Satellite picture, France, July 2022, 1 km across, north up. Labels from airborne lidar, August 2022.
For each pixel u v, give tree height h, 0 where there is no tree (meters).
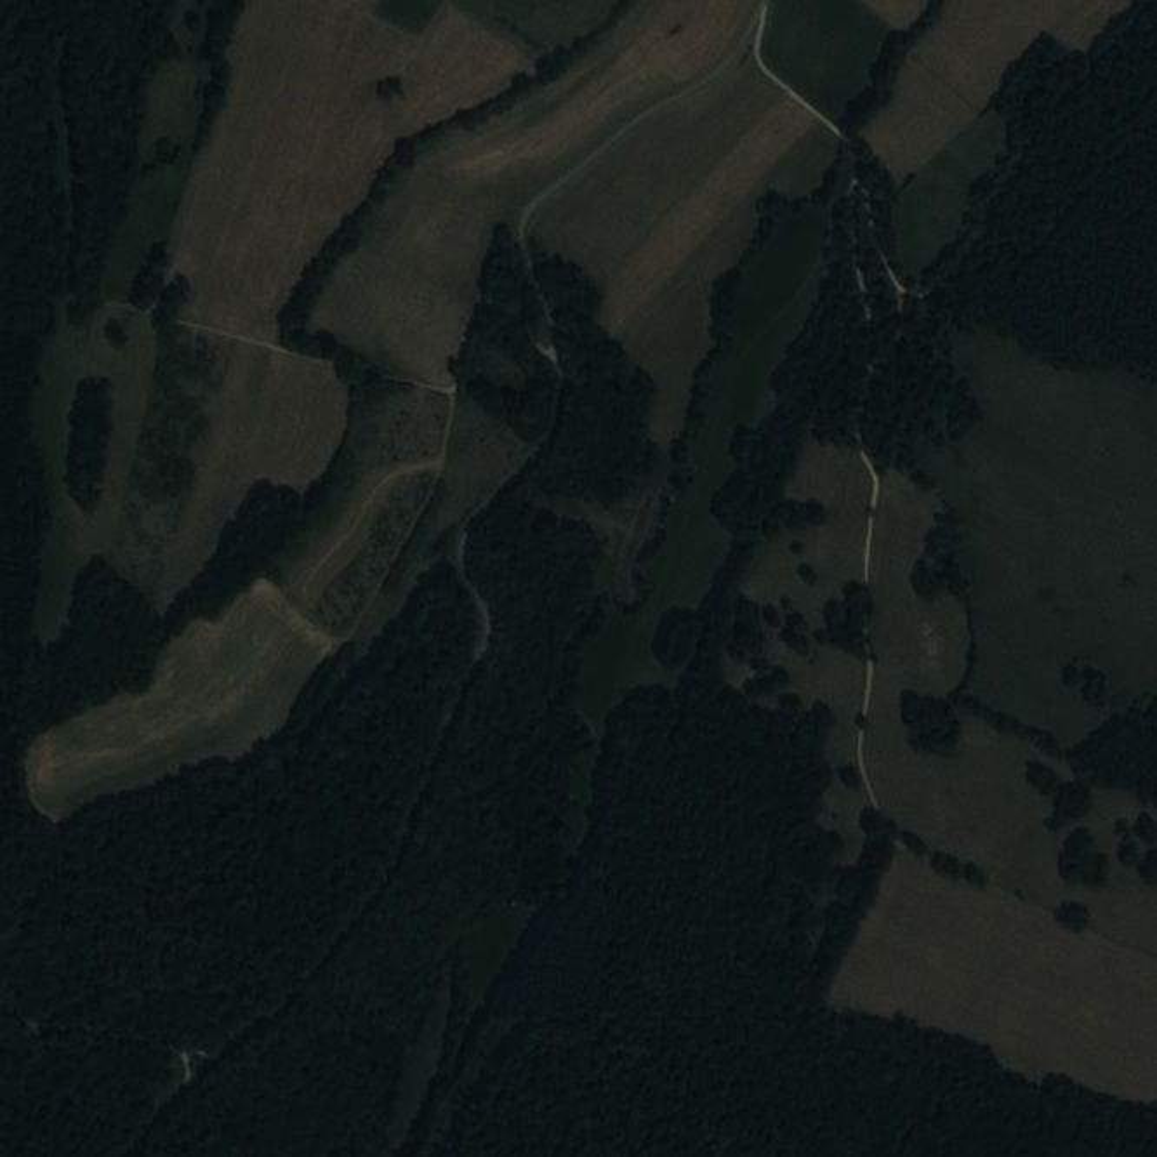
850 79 0
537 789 12
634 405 23
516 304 13
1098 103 10
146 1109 17
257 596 0
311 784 17
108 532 0
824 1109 14
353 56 0
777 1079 15
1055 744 14
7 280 22
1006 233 18
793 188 0
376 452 0
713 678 18
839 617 14
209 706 0
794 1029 13
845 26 0
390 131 0
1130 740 18
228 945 18
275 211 0
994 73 0
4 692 11
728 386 0
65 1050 17
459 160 0
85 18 23
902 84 0
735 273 12
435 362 0
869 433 18
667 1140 19
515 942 0
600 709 0
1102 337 19
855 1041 14
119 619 21
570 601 21
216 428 0
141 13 11
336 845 17
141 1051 19
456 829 19
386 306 0
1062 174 14
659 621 0
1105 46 10
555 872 10
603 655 0
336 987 18
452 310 0
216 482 0
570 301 10
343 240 17
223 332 0
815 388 11
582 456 18
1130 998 0
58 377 0
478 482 0
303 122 0
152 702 0
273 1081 16
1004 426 0
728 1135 24
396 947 17
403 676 18
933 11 10
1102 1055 0
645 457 18
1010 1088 14
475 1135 20
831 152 0
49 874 16
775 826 13
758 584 0
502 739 17
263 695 0
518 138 0
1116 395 0
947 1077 19
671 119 0
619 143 0
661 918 18
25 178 27
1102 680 14
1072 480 0
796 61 0
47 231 25
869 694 0
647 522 0
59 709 22
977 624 6
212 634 0
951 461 0
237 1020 16
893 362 15
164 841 20
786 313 0
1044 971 0
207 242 0
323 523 0
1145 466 0
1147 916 0
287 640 0
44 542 12
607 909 23
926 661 0
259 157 0
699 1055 17
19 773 17
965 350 0
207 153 0
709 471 0
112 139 18
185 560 0
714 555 0
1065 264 20
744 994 16
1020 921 0
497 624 13
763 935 16
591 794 0
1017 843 0
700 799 20
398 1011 19
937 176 0
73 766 0
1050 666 0
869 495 0
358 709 18
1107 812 0
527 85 17
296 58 0
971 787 0
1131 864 12
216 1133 19
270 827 19
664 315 0
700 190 0
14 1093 20
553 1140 19
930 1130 16
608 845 22
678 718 12
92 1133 22
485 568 17
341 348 14
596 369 22
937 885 0
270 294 0
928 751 10
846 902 13
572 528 21
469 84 0
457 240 0
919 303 14
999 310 17
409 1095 0
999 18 0
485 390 20
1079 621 0
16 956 19
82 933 16
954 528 9
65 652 18
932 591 17
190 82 0
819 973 17
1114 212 19
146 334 0
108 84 13
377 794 19
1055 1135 18
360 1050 23
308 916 17
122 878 18
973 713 15
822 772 16
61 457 0
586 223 0
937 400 18
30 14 18
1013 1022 0
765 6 0
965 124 0
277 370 0
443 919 16
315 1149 22
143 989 13
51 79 19
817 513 17
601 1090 18
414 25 0
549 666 11
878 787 0
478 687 17
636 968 19
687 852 19
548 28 0
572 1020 25
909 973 0
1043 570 0
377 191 16
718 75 0
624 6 6
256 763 19
